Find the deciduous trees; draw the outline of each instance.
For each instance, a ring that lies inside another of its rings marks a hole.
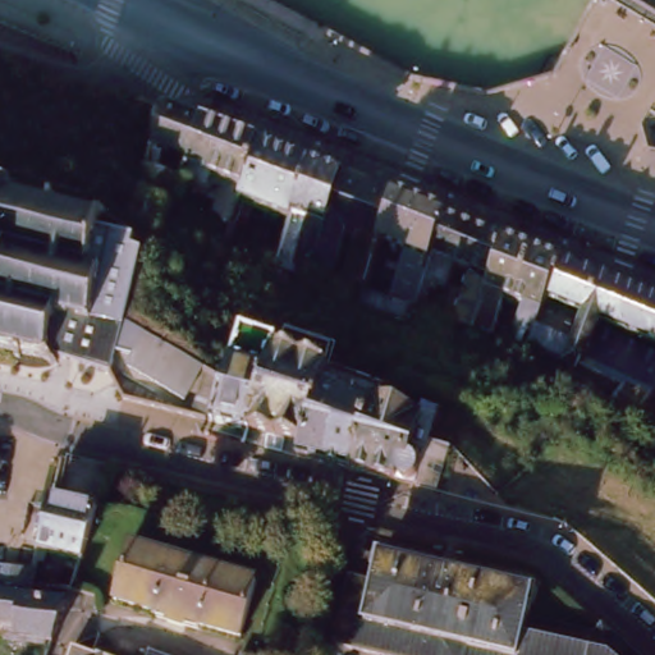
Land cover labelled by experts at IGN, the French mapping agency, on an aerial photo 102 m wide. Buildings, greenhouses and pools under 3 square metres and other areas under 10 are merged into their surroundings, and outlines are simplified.
[[[223,550],[238,550],[248,555],[264,553],[276,563],[274,581],[266,588],[253,617],[253,627],[258,635],[271,632],[281,612],[304,617],[322,614],[328,609],[328,581],[343,565],[343,548],[333,535],[333,522],[340,512],[340,496],[333,486],[310,484],[289,486],[284,494],[284,507],[271,509],[269,514],[246,517],[243,512],[238,512],[228,512],[217,519],[215,542]]]
[[[156,489],[148,486],[148,476],[136,473],[133,478],[125,478],[120,484],[123,494],[115,504],[136,507],[146,514],[148,504],[156,496]]]
[[[179,496],[164,509],[161,517],[161,527],[177,537],[200,535],[200,501],[194,494]]]
[[[379,207],[358,205],[353,200],[330,194],[325,207],[307,210],[294,248],[294,264],[284,271],[284,276],[276,276],[271,281],[271,292],[253,294],[246,274],[228,271],[228,287],[217,302],[220,312],[210,312],[194,302],[189,289],[182,287],[182,261],[177,258],[177,251],[171,246],[182,235],[194,233],[194,241],[202,241],[202,235],[223,235],[233,246],[243,246],[253,235],[253,228],[264,233],[281,212],[241,194],[230,179],[215,171],[207,179],[197,182],[189,169],[166,169],[161,161],[146,166],[143,156],[148,133],[159,125],[151,118],[151,107],[138,102],[133,92],[128,92],[125,87],[113,87],[113,92],[102,92],[97,82],[67,82],[64,74],[59,74],[51,67],[43,67],[20,54],[0,51],[0,166],[10,171],[15,184],[41,187],[43,182],[51,182],[56,194],[102,202],[102,212],[97,215],[100,220],[120,223],[123,228],[133,230],[133,238],[138,241],[138,253],[125,297],[125,310],[130,310],[130,315],[138,322],[148,325],[159,335],[184,348],[192,343],[200,348],[202,343],[225,343],[235,315],[271,322],[292,338],[312,340],[315,345],[320,345],[320,353],[333,363],[338,374],[353,374],[356,368],[361,368],[376,376],[384,386],[402,391],[404,397],[432,402],[435,420],[430,435],[455,448],[463,440],[463,425],[476,414],[494,438],[514,445],[519,450],[519,463],[530,468],[535,468],[535,463],[542,461],[583,463],[601,468],[612,478],[629,481],[640,473],[642,478],[655,484],[655,389],[642,386],[635,376],[604,366],[599,361],[588,358],[586,366],[573,366],[568,374],[558,374],[553,379],[542,376],[535,368],[530,345],[512,343],[507,338],[494,340],[489,333],[478,333],[473,322],[461,322],[455,307],[440,310],[435,304],[420,304],[409,325],[397,325],[381,317],[384,310],[374,307],[368,297],[389,294],[394,269],[389,269],[384,258],[374,256],[368,279],[361,279],[368,238],[376,230],[374,225]]]

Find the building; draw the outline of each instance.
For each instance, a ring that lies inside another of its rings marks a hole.
[[[315,450],[340,453],[363,468],[371,468],[386,478],[397,478],[412,486],[432,486],[438,478],[448,481],[455,473],[455,461],[463,455],[455,448],[430,435],[435,420],[432,402],[404,397],[402,391],[384,386],[376,376],[361,368],[356,368],[353,374],[338,374],[333,363],[320,353],[320,345],[315,345],[312,340],[292,338],[271,322],[235,315],[225,343],[202,343],[200,348],[192,343],[184,348],[159,335],[148,325],[138,322],[130,315],[130,310],[125,310],[125,297],[138,253],[138,241],[133,238],[133,230],[123,228],[120,223],[100,220],[97,215],[102,212],[102,202],[56,194],[51,182],[43,182],[41,187],[15,184],[10,171],[0,166],[0,363],[10,366],[13,371],[20,371],[23,366],[41,368],[41,379],[49,381],[51,366],[56,363],[59,353],[79,356],[79,374],[87,381],[84,389],[95,391],[113,412],[136,414],[141,417],[141,425],[146,422],[151,427],[166,427],[179,438],[202,438],[212,448],[217,445],[217,432],[223,425],[241,425],[241,443],[258,443],[261,448],[274,448],[281,455],[310,455]]]
[[[46,476],[43,489],[38,491],[41,504],[36,507],[36,519],[28,530],[28,545],[49,550],[33,571],[38,591],[33,591],[28,606],[18,606],[8,599],[0,599],[0,635],[18,650],[23,650],[26,645],[43,642],[46,655],[110,655],[102,647],[90,647],[82,642],[67,642],[64,647],[59,647],[69,609],[79,594],[69,583],[69,560],[77,553],[82,553],[90,504],[84,494],[59,489],[54,476]]]
[[[197,619],[197,627],[192,632],[210,632],[217,637],[241,635],[246,596],[253,591],[253,573],[248,568],[212,558],[197,558],[192,553],[159,545],[133,532],[123,540],[120,563],[115,563],[110,573],[110,586],[110,594],[118,601],[141,604],[146,609],[154,609],[154,614],[166,612],[177,619]]]
[[[604,642],[591,642],[525,624],[532,594],[530,576],[496,573],[484,565],[440,560],[432,555],[412,555],[404,548],[391,548],[391,537],[379,537],[376,532],[368,548],[368,565],[358,596],[358,617],[363,619],[363,624],[358,627],[353,642],[402,655],[619,655]]]
[[[435,194],[422,194],[417,187],[404,187],[404,182],[386,184],[379,207],[374,225],[376,230],[368,238],[361,279],[368,279],[374,256],[384,258],[389,269],[394,269],[389,294],[368,297],[374,307],[384,310],[381,317],[397,325],[409,325],[420,304],[435,304],[440,310],[455,307],[461,322],[473,322],[478,333],[489,333],[494,340],[507,338],[512,343],[530,345],[540,340],[555,353],[571,353],[588,333],[588,328],[594,328],[609,348],[599,361],[604,366],[635,376],[642,386],[655,389],[655,287],[635,281],[635,264],[617,261],[614,256],[604,258],[601,269],[591,279],[581,279],[581,274],[588,269],[588,261],[583,261],[573,274],[568,274],[558,266],[553,243],[514,228],[499,230],[494,223],[484,217],[438,202]]]
[[[223,235],[202,235],[202,241],[194,241],[194,233],[182,235],[171,246],[177,251],[177,258],[182,261],[182,287],[189,289],[194,302],[210,312],[220,312],[217,302],[228,287],[228,271],[246,274],[253,294],[271,292],[271,281],[276,276],[284,276],[284,271],[294,264],[294,248],[307,210],[325,207],[330,194],[328,182],[338,171],[338,161],[328,154],[310,151],[297,143],[292,146],[289,141],[271,136],[264,125],[243,123],[220,110],[212,110],[197,100],[194,92],[182,95],[177,100],[159,92],[151,107],[151,118],[159,125],[148,133],[143,156],[146,166],[161,161],[166,169],[189,169],[197,182],[207,179],[215,171],[230,179],[241,194],[281,212],[264,233],[253,228],[253,235],[243,246],[233,246]]]

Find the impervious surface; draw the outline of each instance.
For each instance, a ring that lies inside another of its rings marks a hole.
[[[496,87],[471,87],[422,74],[407,77],[394,64],[379,59],[368,46],[333,28],[315,26],[312,20],[274,0],[0,0],[0,51],[20,54],[43,67],[51,67],[59,74],[64,74],[67,82],[97,82],[102,92],[113,92],[113,87],[125,87],[128,92],[133,92],[138,102],[151,107],[159,92],[177,100],[182,95],[194,92],[197,100],[212,110],[220,110],[243,123],[264,125],[271,136],[289,141],[292,146],[297,143],[310,151],[328,154],[338,161],[338,171],[328,182],[330,194],[353,200],[358,205],[379,207],[386,184],[404,182],[404,187],[417,187],[422,194],[435,194],[438,202],[484,217],[494,223],[499,230],[514,228],[553,243],[558,266],[568,274],[573,274],[583,261],[588,261],[588,269],[581,274],[581,279],[591,279],[601,269],[604,258],[614,256],[617,261],[635,264],[635,281],[655,287],[655,0],[588,0],[581,20],[568,36],[563,54],[558,56],[550,72]]]
[[[343,652],[358,655],[402,655],[353,642],[343,642]]]
[[[38,491],[43,489],[46,476],[54,476],[59,489],[84,494],[90,504],[102,504],[105,509],[115,504],[123,494],[120,484],[125,478],[133,478],[136,473],[148,476],[148,486],[156,489],[166,484],[179,496],[194,494],[200,501],[205,494],[217,494],[233,499],[241,507],[238,512],[243,512],[246,517],[269,514],[271,509],[284,507],[284,494],[289,486],[310,484],[333,486],[340,496],[340,512],[345,507],[374,509],[371,519],[379,527],[376,532],[379,537],[391,537],[391,548],[404,548],[412,555],[432,555],[440,560],[484,565],[496,573],[530,576],[532,594],[525,624],[591,642],[604,642],[619,655],[655,655],[655,594],[647,591],[627,568],[617,565],[604,548],[594,545],[571,522],[509,504],[499,499],[499,491],[491,486],[489,476],[463,455],[455,461],[455,473],[448,481],[438,478],[432,486],[412,486],[397,478],[386,478],[371,468],[363,468],[340,453],[315,450],[310,455],[281,455],[274,448],[261,448],[258,443],[241,443],[241,425],[223,425],[217,432],[217,445],[212,448],[202,438],[179,438],[166,427],[151,427],[146,422],[141,425],[141,417],[136,414],[113,412],[95,391],[84,389],[87,381],[79,374],[79,356],[59,353],[56,363],[51,366],[49,381],[41,379],[41,368],[23,366],[20,371],[13,371],[10,366],[0,363],[0,599],[8,599],[18,606],[28,606],[33,591],[38,591],[33,571],[49,550],[28,545],[28,530],[36,519],[36,507],[41,504]]]
[[[82,642],[90,647],[102,647],[110,655],[248,655],[241,635],[217,637],[210,632],[192,632],[197,627],[197,619],[177,619],[166,612],[154,614],[154,609],[146,609],[141,604],[118,601],[110,594],[110,586],[100,591],[82,588],[79,594],[69,609],[59,647],[64,647],[67,642]]]

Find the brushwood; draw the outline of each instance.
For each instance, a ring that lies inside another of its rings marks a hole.
[[[43,642],[26,645],[23,650],[18,650],[0,635],[0,655],[46,655]]]
[[[517,481],[530,468],[519,463],[519,450],[514,445],[494,438],[476,414],[463,425],[463,440],[455,448],[463,455],[489,476],[491,486],[499,491],[499,499],[509,504],[519,491]]]

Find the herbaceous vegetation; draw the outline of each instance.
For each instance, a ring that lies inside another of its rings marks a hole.
[[[553,379],[558,374],[568,374],[573,366],[586,366],[588,358],[599,361],[609,348],[594,328],[588,328],[588,333],[571,353],[555,353],[540,340],[530,345],[535,368],[542,376]]]
[[[69,583],[79,594],[82,588],[100,591],[110,586],[110,573],[115,563],[120,563],[123,540],[133,532],[159,545],[192,553],[197,558],[212,558],[248,568],[253,573],[253,591],[246,596],[241,635],[248,655],[358,655],[343,652],[343,642],[353,642],[358,627],[363,624],[363,619],[358,617],[358,596],[368,565],[368,548],[376,532],[379,527],[371,519],[374,509],[345,507],[340,512],[333,522],[333,535],[343,548],[343,565],[328,581],[328,609],[322,614],[304,617],[281,612],[271,632],[258,635],[253,627],[253,617],[266,588],[274,581],[276,563],[264,553],[248,555],[238,550],[223,550],[215,542],[217,519],[228,512],[238,512],[241,507],[233,499],[217,494],[205,494],[200,501],[200,535],[177,537],[161,527],[161,517],[164,509],[179,496],[166,484],[156,489],[156,496],[148,504],[146,514],[136,507],[115,504],[105,509],[102,504],[90,504],[82,553],[77,553],[69,560]]]
[[[571,522],[594,545],[604,548],[617,565],[627,568],[647,591],[655,594],[655,484],[642,478],[640,473],[629,481],[612,478],[601,468],[583,463],[542,461],[535,463],[535,468],[530,468],[517,481],[519,491],[509,504]]]

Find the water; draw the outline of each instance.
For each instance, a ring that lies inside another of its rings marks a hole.
[[[588,0],[274,0],[312,20],[315,26],[333,28],[368,46],[379,59],[394,64],[407,77],[422,74],[471,87],[496,87],[550,72],[558,56],[563,54],[568,36],[581,20]]]

